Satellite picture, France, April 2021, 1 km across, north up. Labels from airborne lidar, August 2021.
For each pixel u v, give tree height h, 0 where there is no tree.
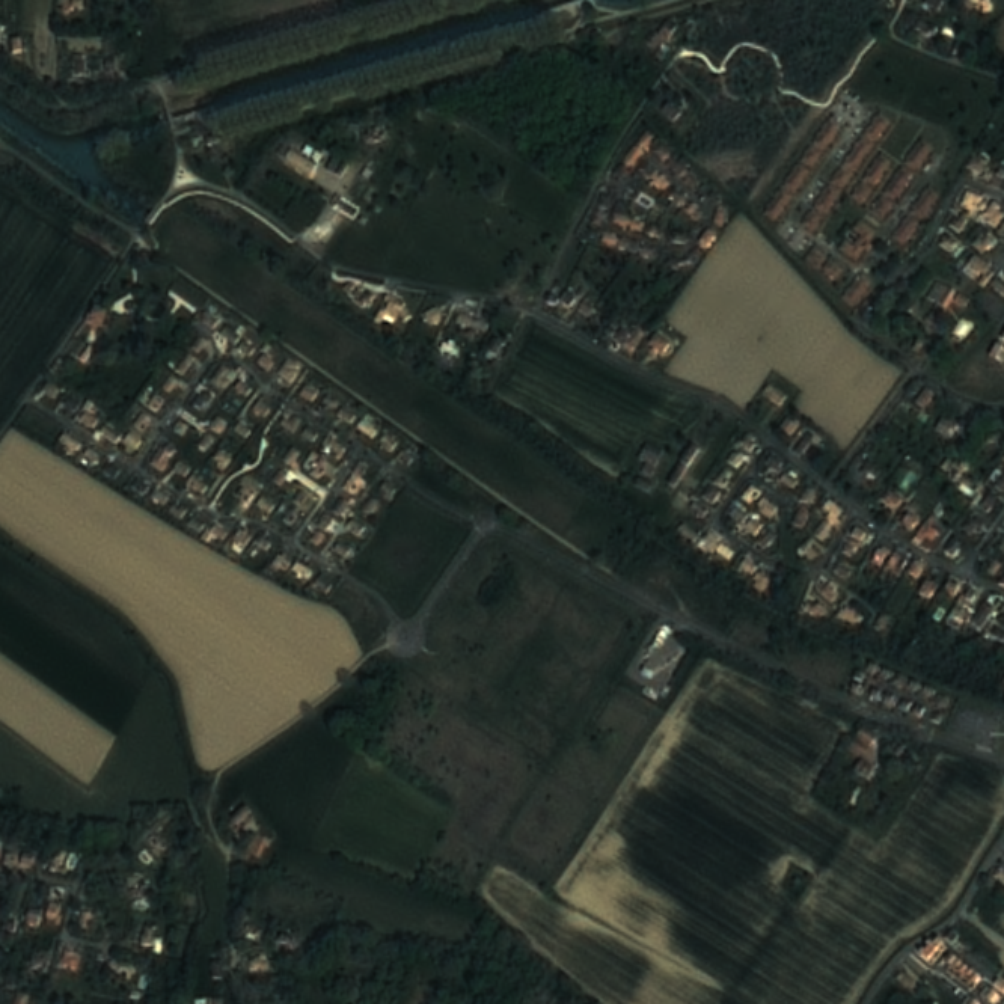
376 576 0
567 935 0
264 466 0
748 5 13
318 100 32
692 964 0
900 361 15
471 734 0
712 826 0
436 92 21
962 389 0
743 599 11
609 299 9
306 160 0
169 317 19
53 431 0
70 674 0
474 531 0
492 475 0
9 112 0
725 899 0
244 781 0
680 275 6
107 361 23
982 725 0
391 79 32
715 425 9
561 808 0
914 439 7
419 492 0
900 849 0
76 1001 15
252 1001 16
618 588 0
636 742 0
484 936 11
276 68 30
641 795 0
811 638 8
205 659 0
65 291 0
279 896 0
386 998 13
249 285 0
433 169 0
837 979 0
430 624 0
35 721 0
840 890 0
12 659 0
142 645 0
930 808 0
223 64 31
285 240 0
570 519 0
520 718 0
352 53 0
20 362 0
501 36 34
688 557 14
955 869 0
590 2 0
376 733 11
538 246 6
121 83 13
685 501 0
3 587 0
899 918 0
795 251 0
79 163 0
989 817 0
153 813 6
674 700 0
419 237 0
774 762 0
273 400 0
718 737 0
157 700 0
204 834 13
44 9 0
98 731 0
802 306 0
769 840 0
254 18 0
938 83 0
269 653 0
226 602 0
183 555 0
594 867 0
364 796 0
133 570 0
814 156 0
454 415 0
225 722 0
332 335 0
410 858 0
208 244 0
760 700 0
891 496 0
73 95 11
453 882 10
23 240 0
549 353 0
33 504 0
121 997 8
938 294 0
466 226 0
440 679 0
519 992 11
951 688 13
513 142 10
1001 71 8
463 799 0
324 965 18
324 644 0
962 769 0
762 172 6
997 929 0
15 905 13
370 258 0
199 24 0
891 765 21
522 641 0
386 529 0
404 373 0
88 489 0
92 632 0
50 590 0
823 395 0
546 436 15
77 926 9
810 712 0
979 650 10
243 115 32
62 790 0
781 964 0
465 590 0
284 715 0
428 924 0
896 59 0
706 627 0
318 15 0
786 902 0
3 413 0
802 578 11
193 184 0
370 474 0
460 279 0
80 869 7
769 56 6
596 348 0
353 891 0
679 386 0
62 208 11
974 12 6
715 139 6
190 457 0
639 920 0
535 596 0
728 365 0
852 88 0
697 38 9
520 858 0
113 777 0
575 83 28
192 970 13
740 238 0
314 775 0
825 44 9
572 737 0
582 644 0
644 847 0
